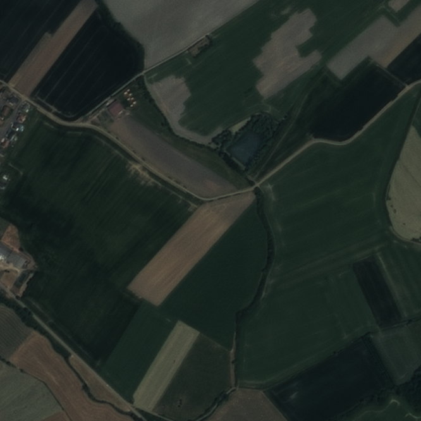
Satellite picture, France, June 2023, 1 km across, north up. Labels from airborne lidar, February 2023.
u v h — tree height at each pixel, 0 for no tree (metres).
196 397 0
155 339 0
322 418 0
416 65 0
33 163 0
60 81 0
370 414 0
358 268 0
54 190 0
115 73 0
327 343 0
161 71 0
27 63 0
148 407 0
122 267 0
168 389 0
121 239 0
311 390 0
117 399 0
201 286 0
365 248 0
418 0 0
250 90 0
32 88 0
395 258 0
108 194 0
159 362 0
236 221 0
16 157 0
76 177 0
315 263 0
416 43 0
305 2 0
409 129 0
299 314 0
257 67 0
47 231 0
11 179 0
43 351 0
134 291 0
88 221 0
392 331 0
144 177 0
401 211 0
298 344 0
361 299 0
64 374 0
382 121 0
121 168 0
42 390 0
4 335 0
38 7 0
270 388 0
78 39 0
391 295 0
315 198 0
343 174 0
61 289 0
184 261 0
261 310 0
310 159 0
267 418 0
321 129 0
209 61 0
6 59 0
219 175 0
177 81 0
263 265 0
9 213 0
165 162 0
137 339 0
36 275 7
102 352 0
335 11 0
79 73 0
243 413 0
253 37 0
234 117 0
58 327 0
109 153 0
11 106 0
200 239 0
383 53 0
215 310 0
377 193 0
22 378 0
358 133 0
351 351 0
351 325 0
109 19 11
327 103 0
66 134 0
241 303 0
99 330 0
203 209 0
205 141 0
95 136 0
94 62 0
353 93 0
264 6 0
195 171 0
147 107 0
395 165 0
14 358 0
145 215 0
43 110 0
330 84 0
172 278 0
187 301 0
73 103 0
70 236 0
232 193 0
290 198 0
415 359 0
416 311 0
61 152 0
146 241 0
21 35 0
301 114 0
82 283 0
